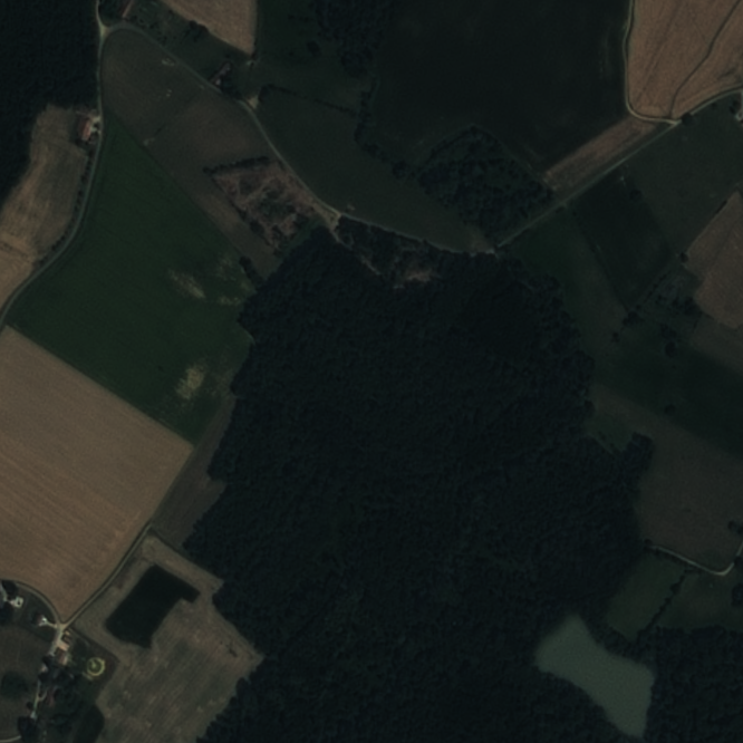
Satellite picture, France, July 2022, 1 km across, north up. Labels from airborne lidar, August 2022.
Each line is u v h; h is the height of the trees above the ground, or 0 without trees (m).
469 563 7
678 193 0
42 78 14
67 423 0
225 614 14
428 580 11
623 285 0
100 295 0
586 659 0
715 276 0
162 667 0
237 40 0
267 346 19
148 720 0
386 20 15
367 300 25
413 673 22
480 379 27
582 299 0
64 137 0
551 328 10
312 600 20
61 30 14
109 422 0
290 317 20
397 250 12
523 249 0
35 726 22
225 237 0
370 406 24
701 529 0
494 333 17
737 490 0
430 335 23
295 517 10
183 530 0
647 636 12
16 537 0
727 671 23
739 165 0
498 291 11
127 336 0
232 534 17
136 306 0
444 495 23
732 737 25
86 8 14
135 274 0
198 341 0
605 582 19
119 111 0
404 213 0
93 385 0
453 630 22
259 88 0
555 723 25
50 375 0
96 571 0
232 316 0
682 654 15
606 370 0
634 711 0
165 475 0
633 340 0
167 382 0
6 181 11
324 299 26
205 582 0
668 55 0
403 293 20
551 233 0
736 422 0
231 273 0
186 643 0
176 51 0
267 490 14
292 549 25
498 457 13
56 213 0
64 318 0
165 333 0
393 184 0
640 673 0
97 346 0
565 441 29
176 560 0
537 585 20
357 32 22
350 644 6
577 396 25
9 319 0
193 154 0
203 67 0
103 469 0
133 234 0
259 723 20
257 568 22
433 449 27
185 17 0
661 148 0
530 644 26
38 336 0
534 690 20
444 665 14
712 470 0
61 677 9
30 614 0
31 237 0
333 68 0
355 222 8
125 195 0
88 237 0
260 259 0
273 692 25
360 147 7
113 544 0
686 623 0
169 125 0
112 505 0
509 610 17
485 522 21
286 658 15
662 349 0
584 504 18
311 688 13
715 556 0
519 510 18
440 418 20
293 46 0
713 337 0
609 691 0
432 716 15
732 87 0
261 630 19
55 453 0
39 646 0
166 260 0
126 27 0
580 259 0
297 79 0
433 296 16
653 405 0
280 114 0
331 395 25
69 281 0
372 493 7
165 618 0
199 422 0
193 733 0
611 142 0
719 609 0
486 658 17
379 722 26
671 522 0
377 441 25
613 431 0
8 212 0
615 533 21
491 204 15
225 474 15
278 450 18
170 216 0
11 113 14
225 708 0
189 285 0
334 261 24
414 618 19
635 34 0
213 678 0
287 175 0
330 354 19
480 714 20
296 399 22
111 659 0
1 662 0
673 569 0
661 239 0
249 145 0
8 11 14
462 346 25
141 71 0
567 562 20
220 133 0
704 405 0
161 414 0
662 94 0
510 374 23
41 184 0
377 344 20
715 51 0
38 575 0
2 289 0
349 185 0
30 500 0
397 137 0
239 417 17
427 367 24
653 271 0
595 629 22
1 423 0
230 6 0
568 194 0
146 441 0
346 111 7
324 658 13
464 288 19
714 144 0
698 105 0
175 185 0
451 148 16
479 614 18
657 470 0
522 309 16
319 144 0
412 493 15
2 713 0
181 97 0
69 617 0
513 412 13
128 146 0
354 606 21
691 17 0
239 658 0
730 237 0
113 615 0
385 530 13
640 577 0
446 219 0
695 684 17
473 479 24
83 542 0
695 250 0
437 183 32
